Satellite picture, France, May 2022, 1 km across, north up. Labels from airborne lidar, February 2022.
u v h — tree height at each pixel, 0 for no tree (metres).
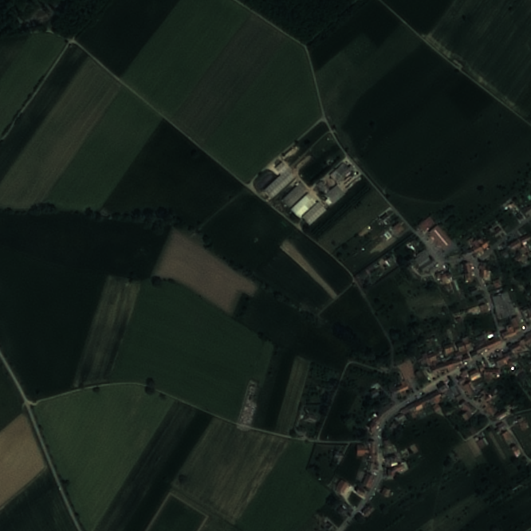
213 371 0
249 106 0
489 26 0
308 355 0
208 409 0
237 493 0
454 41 0
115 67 0
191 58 0
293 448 0
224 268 0
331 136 0
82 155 0
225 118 0
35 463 0
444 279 0
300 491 0
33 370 0
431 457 0
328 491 0
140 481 0
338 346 0
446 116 0
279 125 0
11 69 0
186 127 0
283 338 0
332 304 0
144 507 0
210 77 0
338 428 0
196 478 0
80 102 0
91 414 0
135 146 0
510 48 0
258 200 0
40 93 0
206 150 0
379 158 0
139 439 0
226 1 0
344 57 0
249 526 0
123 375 0
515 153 0
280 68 0
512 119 0
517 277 7
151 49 0
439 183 0
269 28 0
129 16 0
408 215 0
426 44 0
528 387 6
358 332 0
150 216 24
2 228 0
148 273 0
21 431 0
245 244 0
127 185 0
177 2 0
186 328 0
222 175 0
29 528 0
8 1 28
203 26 0
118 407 0
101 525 0
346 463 0
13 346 0
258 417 0
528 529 0
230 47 0
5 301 0
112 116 0
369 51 0
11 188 0
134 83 0
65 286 0
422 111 0
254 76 0
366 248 0
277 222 0
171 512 0
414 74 0
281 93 0
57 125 0
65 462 0
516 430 0
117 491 0
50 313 0
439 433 0
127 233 0
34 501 0
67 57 0
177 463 0
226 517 0
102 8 7
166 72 0
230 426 0
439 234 0
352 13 9
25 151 0
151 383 13
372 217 0
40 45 0
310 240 0
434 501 0
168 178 0
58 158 0
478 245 0
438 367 0
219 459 0
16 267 0
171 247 0
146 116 0
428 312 0
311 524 0
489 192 0
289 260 0
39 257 0
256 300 0
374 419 0
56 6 0
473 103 0
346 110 0
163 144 0
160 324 0
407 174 0
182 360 0
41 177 0
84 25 13
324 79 0
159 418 0
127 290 0
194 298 0
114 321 0
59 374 0
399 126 0
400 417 0
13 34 17
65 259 0
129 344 0
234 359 0
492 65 0
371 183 0
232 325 0
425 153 0
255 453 0
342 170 0
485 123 0
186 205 0
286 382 0
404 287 0
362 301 0
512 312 0
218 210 0
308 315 11
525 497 0
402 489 0
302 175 0
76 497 0
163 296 0
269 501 0
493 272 12
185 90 0
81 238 0
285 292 0
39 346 0
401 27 0
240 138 0
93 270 0
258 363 0
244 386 0
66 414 0
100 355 0
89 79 0
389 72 0
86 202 0
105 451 0
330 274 0
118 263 0
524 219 0
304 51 0
